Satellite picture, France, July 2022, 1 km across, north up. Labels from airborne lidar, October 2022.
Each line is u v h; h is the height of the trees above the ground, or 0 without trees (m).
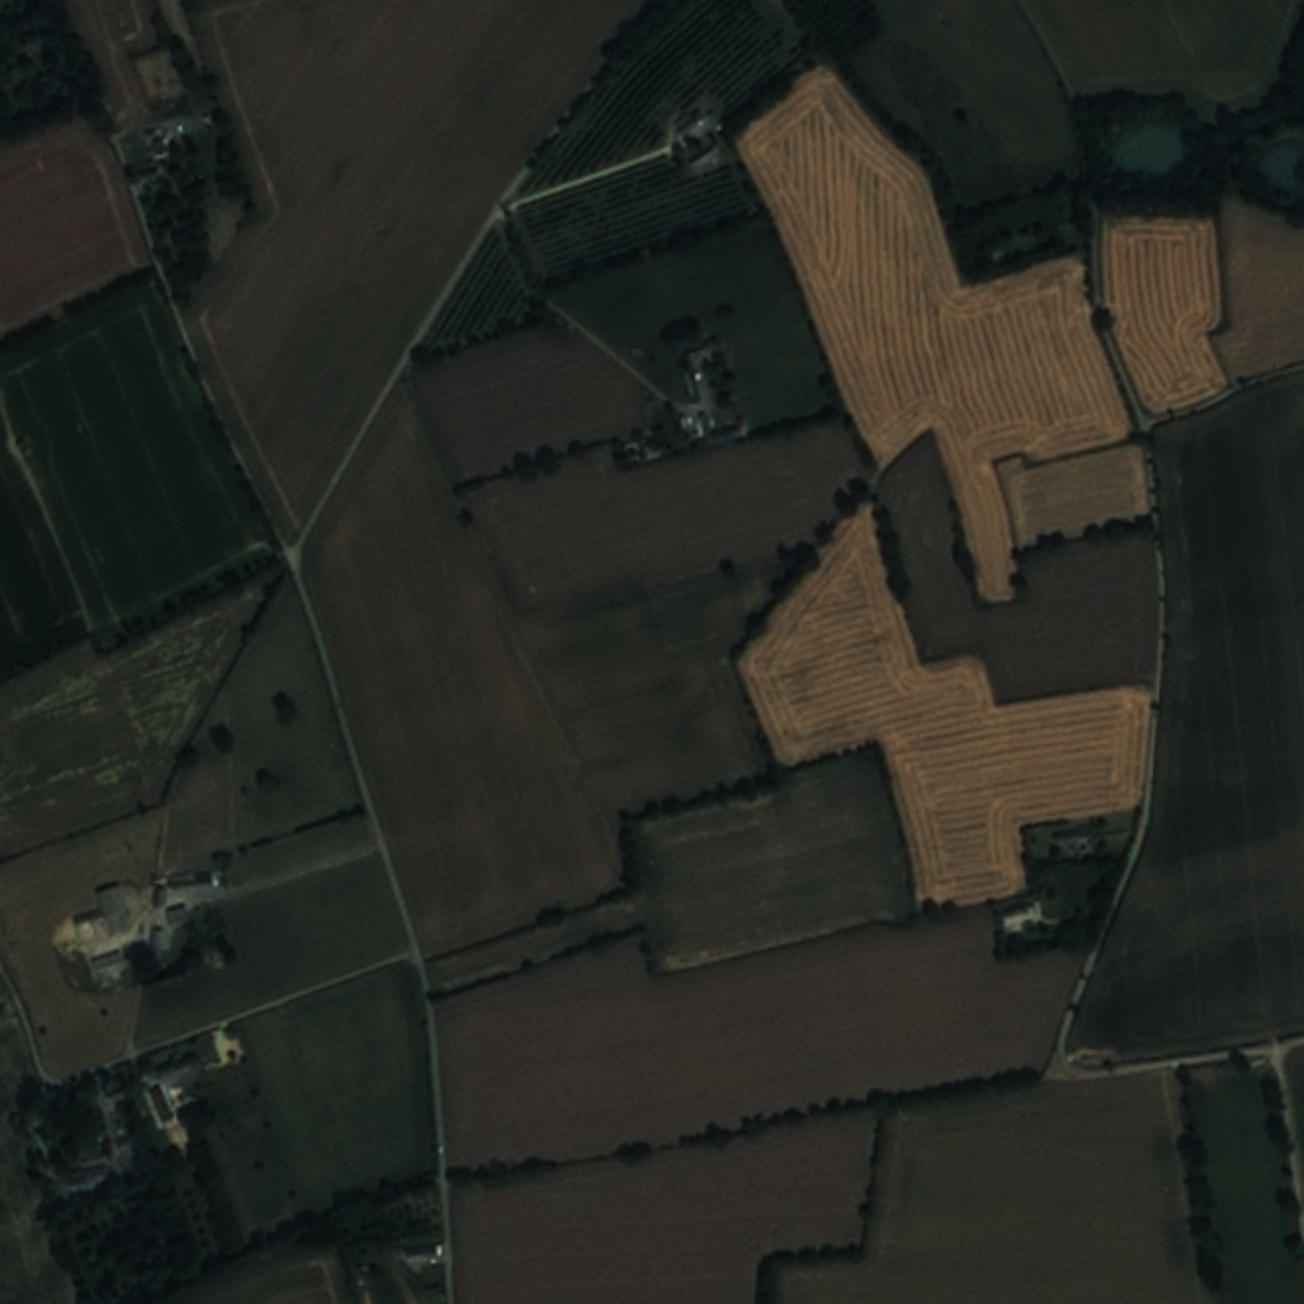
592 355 0
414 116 0
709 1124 0
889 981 0
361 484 0
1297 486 0
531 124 0
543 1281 0
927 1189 0
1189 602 0
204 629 0
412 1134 0
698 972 0
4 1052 0
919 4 0
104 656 6
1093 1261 0
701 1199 0
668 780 0
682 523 0
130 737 0
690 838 0
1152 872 0
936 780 0
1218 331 0
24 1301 0
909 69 0
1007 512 0
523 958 0
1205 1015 0
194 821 0
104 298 12
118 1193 14
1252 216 0
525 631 0
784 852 0
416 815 0
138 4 0
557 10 0
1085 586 0
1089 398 0
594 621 0
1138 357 0
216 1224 12
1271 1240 0
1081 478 0
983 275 15
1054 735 0
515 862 0
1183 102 13
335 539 0
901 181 0
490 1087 0
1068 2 0
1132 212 27
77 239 0
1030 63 0
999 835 0
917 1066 0
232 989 0
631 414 0
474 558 0
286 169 0
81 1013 0
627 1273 0
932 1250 0
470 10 0
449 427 0
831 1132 0
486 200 0
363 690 0
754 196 15
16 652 0
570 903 0
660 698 0
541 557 0
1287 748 0
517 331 14
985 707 0
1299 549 0
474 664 0
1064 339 0
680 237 16
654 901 0
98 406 0
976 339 0
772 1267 9
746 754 0
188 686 0
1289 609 0
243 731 0
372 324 0
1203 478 0
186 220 12
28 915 0
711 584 0
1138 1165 0
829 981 0
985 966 0
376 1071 0
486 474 0
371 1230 6
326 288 0
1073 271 0
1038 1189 0
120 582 0
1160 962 0
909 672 0
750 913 0
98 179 0
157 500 0
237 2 0
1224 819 0
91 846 0
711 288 0
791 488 0
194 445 0
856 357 0
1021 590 16
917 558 0
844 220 0
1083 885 0
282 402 0
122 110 0
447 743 0
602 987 0
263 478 0
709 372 8
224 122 16
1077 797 0
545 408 0
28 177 0
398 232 0
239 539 0
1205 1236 27
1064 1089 0
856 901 0
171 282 8
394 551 0
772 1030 0
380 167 0
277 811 0
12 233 0
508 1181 18
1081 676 0
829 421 13
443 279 0
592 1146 0
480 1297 0
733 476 0
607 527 0
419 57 0
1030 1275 0
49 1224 22
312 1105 0
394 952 0
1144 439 11
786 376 0
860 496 19
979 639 0
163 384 0
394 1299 0
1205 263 0
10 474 0
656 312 0
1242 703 0
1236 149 13
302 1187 0
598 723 0
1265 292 0
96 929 0
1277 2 0
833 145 0
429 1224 7
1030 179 0
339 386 0
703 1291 0
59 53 6
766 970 0
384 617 0
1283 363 0
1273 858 0
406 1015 0
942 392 0
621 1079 0
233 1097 0
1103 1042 0
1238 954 0
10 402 0
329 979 0
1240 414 0
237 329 0
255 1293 0
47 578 0
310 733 0
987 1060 0
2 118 20
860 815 0
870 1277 0
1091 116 15
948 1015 0
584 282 18
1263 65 0
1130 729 0
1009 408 0
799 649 0
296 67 0
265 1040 0
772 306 0
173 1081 0
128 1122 7
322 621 0
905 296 0
